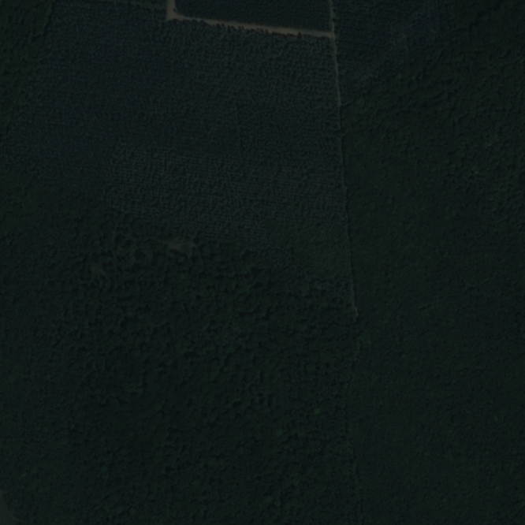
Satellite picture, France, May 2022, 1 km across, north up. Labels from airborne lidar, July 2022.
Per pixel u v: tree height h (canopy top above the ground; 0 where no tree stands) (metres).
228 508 18
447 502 18
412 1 14
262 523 24
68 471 15
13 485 14
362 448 15
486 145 7
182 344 21
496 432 17
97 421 24
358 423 17
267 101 21
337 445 16
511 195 11
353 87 10
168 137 17
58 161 18
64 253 17
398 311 14
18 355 15
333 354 19
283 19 14
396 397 15
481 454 17
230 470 21
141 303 21
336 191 17
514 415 18
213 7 18
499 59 18
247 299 24
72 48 18
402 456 17
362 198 22
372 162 17
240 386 23
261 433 28
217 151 16
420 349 16
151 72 16
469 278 16
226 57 20
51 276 21
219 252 16
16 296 16
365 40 14
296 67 15
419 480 18
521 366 16
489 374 17
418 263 15
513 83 16
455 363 16
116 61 16
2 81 24
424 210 17
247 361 22
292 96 16
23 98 15
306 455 20
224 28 14
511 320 17
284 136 26
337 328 20
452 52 21
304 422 26
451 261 19
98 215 14
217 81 17
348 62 16
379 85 14
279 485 22
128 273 18
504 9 29
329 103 15
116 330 21
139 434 26
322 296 18
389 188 17
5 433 15
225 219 12
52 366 18
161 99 16
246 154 19
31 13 16
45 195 18
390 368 16
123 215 16
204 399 26
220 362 30
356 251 17
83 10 19
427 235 17
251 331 18
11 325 17
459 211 15
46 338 17
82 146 14
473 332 15
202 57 20
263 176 21
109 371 25
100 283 23
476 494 18
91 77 15
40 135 18
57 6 16
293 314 18
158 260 23
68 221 20
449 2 9
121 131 16
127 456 24
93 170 15
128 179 16
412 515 22
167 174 17
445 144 17
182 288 22
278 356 24
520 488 18
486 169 14
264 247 21
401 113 16
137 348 22
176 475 23
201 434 22
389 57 16
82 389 23
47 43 14
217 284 20
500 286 17
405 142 15
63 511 15
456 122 14
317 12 11
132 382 27
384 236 18
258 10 14
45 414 15
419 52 12
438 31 16
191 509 17
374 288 18
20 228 18
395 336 19
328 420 21
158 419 28
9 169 15
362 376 17
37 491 15
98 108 17
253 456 27
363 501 15
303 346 16
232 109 18
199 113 18
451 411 16
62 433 16
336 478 17
